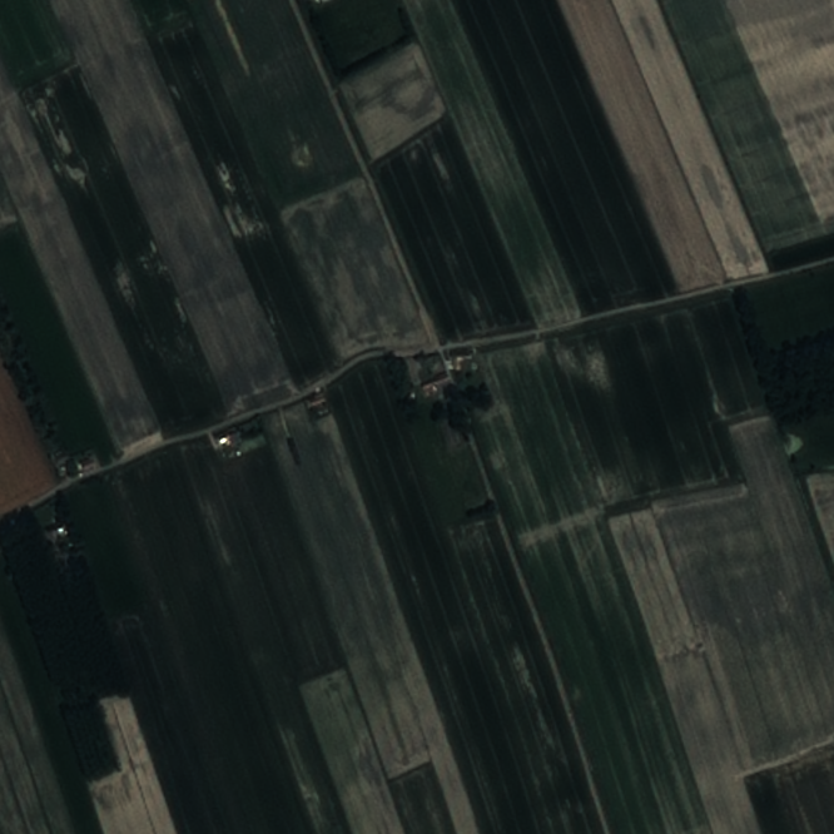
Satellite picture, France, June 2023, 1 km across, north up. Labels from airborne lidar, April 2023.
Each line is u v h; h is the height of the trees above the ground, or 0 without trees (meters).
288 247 0
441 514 0
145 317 0
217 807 0
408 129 0
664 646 0
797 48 0
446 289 0
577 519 0
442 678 0
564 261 0
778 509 0
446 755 0
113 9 0
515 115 0
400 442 0
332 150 0
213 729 0
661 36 0
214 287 0
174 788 0
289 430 0
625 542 0
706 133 0
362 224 0
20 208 0
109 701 0
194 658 0
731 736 0
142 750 0
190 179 0
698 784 0
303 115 0
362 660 0
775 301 0
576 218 0
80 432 0
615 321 0
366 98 0
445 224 0
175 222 0
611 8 0
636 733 0
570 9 0
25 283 0
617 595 0
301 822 0
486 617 0
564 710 0
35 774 0
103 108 0
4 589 0
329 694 0
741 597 0
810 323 0
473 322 0
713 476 0
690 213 0
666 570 0
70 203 0
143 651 0
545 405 0
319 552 0
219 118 0
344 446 0
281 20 0
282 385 0
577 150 0
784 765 0
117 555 0
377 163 0
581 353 0
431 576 0
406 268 0
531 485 0
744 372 0
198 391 0
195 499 0
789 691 0
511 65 0
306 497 0
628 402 0
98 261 0
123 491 0
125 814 0
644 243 0
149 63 0
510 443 0
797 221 0
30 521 26
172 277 0
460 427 18
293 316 0
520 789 0
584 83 0
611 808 0
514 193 0
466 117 0
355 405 0
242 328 0
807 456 0
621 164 0
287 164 0
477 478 0
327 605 0
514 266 0
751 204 0
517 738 0
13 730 0
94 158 0
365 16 0
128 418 0
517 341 0
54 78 0
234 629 0
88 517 0
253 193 0
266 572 0
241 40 0
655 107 0
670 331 0
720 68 0
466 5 0
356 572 0
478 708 0
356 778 0
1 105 0
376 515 0
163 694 0
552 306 0
